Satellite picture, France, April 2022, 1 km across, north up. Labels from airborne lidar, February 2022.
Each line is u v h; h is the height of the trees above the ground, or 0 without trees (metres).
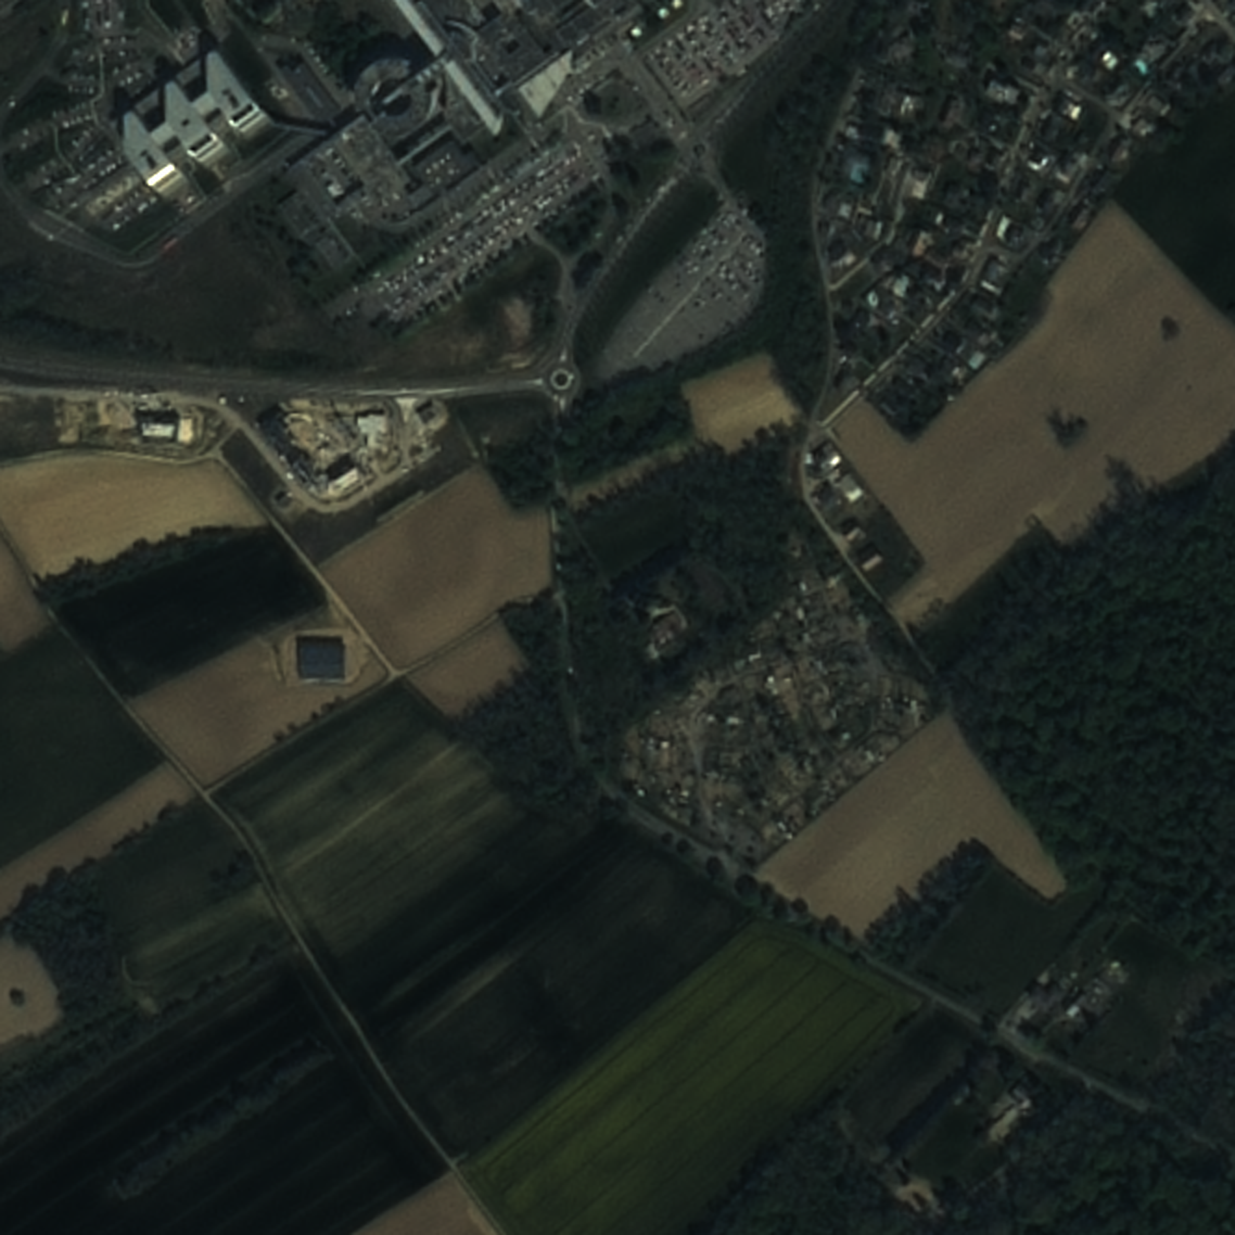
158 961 0
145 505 0
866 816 0
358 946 0
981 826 0
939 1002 0
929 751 0
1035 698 26
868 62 17
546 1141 0
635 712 14
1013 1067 25
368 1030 0
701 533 19
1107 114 0
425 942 0
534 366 0
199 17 0
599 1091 0
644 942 0
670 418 16
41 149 0
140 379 0
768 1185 21
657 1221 0
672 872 0
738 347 8
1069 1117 24
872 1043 0
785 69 14
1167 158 0
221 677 0
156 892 0
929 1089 0
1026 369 0
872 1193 32
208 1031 0
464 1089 0
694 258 0
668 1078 0
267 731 0
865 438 0
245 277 0
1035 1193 29
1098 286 0
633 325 0
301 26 18
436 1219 0
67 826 0
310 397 0
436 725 0
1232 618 22
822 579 12
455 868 0
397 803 0
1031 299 0
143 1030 19
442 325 0
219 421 0
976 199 8
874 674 0
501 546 0
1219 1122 26
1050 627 29
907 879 0
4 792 0
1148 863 32
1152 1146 29
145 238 0
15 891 0
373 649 0
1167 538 30
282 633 0
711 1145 0
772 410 0
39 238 0
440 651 0
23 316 15
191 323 0
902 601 0
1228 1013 25
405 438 0
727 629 16
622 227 0
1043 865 0
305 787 0
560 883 0
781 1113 0
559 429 18
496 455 16
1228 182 0
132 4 0
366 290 0
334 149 0
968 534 0
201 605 0
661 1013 0
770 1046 0
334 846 0
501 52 0
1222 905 19
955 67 0
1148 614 25
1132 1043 0
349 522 0
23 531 0
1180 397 0
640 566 0
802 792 0
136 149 0
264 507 0
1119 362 0
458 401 0
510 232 0
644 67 0
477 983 0
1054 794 25
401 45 0
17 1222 0
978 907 0
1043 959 0
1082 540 0
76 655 0
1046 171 0
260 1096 15
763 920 0
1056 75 0
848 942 12
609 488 0
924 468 0
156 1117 0
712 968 0
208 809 0
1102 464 0
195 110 0
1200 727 15
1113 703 28
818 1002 0
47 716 0
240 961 0
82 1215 0
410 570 0
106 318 0
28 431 0
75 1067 18
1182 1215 30
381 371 0
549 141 8
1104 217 0
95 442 0
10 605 0
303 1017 0
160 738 0
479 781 0
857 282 0
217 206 0
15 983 0
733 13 0
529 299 14
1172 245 0
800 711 0
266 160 0
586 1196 0
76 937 24
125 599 0
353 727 0
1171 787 35
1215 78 22
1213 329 0
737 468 20
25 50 0
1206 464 0
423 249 0
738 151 0
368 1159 0
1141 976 0
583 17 0
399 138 0
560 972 0
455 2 0
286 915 0
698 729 0
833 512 0
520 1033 0
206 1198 0
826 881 0
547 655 16
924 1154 0
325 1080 0
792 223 10
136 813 0
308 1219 0
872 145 7
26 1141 0
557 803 23
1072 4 21
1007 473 0
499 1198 0
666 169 0
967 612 0
